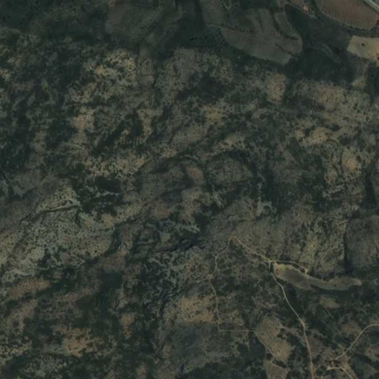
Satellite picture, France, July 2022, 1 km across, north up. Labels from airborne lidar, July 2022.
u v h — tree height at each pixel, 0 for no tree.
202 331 0
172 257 0
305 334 0
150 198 0
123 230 0
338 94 0
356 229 0
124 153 0
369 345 0
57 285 7
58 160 0
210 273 0
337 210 0
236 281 0
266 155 0
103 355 0
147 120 0
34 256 0
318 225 0
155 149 0
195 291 0
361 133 0
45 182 0
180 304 0
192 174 0
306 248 0
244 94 0
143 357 0
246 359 0
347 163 0
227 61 0
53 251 0
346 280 0
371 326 0
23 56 0
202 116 0
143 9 0
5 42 0
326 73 0
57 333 0
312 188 0
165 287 0
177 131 0
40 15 0
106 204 0
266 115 0
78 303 0
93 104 0
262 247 0
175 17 0
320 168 0
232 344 0
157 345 0
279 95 0
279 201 0
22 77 0
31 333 0
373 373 0
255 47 0
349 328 0
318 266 0
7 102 0
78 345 0
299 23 0
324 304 0
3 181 0
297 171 0
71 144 0
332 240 0
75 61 0
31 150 0
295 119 0
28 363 0
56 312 0
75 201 0
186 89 0
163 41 0
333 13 0
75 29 0
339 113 0
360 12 0
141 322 0
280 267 0
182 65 0
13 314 0
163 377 0
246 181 0
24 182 0
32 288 0
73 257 0
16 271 0
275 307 0
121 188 0
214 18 0
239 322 0
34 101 0
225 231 0
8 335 0
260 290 0
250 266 0
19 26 0
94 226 0
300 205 0
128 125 0
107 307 0
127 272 0
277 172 0
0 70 0
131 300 0
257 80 0
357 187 0
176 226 0
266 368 0
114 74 0
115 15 0
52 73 0
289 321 0
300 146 0
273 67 0
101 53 0
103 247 0
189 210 0
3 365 0
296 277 0
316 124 0
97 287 0
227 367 0
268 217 0
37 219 0
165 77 0
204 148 0
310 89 0
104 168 0
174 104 0
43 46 0
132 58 0
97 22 0
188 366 0
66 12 0
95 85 0
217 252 0
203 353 0
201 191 0
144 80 0
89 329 0
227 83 0
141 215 0
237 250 0
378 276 0
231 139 0
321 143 0
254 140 0
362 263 0
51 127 0
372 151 0
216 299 0
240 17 0
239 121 0
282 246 0
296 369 0
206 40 8
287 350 0
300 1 0
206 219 0
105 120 0
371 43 0
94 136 0
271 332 0
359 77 0
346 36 0
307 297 0
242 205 0
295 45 0
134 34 0
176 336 0
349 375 0
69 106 0
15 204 0
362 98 0
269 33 0
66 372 0
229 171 0
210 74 0
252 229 0
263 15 0
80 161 0
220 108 0
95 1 0
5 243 0
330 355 0
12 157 0
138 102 0
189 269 0
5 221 0
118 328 0
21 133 0
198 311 0
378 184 0
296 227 0
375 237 0
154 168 0
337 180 0
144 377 0
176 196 0
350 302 0
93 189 0
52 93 0
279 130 0
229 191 0
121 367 0
